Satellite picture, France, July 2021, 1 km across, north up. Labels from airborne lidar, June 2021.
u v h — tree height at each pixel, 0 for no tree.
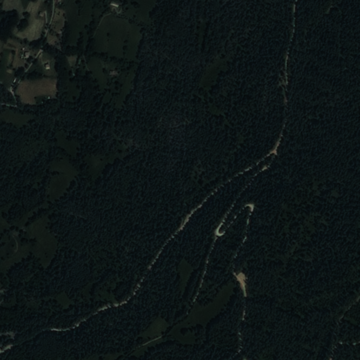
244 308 24
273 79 17
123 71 8
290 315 26
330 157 23
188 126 21
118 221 27
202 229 13
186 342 0
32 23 0
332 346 23
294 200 13
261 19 24
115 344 33
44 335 20
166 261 14
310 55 26
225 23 17
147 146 15
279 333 29
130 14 0
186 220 0
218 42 15
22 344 10
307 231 8
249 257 17
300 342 30
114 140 16
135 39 0
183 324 0
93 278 25
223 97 28
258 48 25
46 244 0
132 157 20
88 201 26
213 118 25
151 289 26
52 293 24
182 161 19
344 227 19
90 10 0
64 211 19
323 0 16
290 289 29
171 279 21
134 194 32
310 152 24
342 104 13
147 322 27
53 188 0
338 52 20
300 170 18
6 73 0
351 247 16
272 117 15
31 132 18
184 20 20
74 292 22
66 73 25
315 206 8
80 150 16
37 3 0
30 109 19
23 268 26
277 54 22
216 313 0
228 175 26
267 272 26
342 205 14
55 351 26
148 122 13
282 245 14
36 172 25
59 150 16
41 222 0
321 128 27
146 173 13
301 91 21
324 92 6
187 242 25
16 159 19
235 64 19
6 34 29
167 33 21
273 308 24
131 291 30
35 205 26
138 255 20
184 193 28
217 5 24
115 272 17
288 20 20
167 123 14
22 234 19
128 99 18
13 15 24
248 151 15
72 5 0
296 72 31
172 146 14
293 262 13
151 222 24
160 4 11
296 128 29
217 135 30
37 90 0
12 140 25
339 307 29
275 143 22
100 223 21
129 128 17
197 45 25
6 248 0
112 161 0
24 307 20
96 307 17
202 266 24
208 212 15
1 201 25
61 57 24
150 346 0
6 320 16
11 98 15
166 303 13
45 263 0
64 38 12
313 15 15
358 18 21
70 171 0
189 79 22
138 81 22
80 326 7
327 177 12
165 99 20
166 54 18
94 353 14
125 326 24
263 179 26
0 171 10
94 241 26
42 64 0
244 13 15
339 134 14
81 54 15
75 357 10
